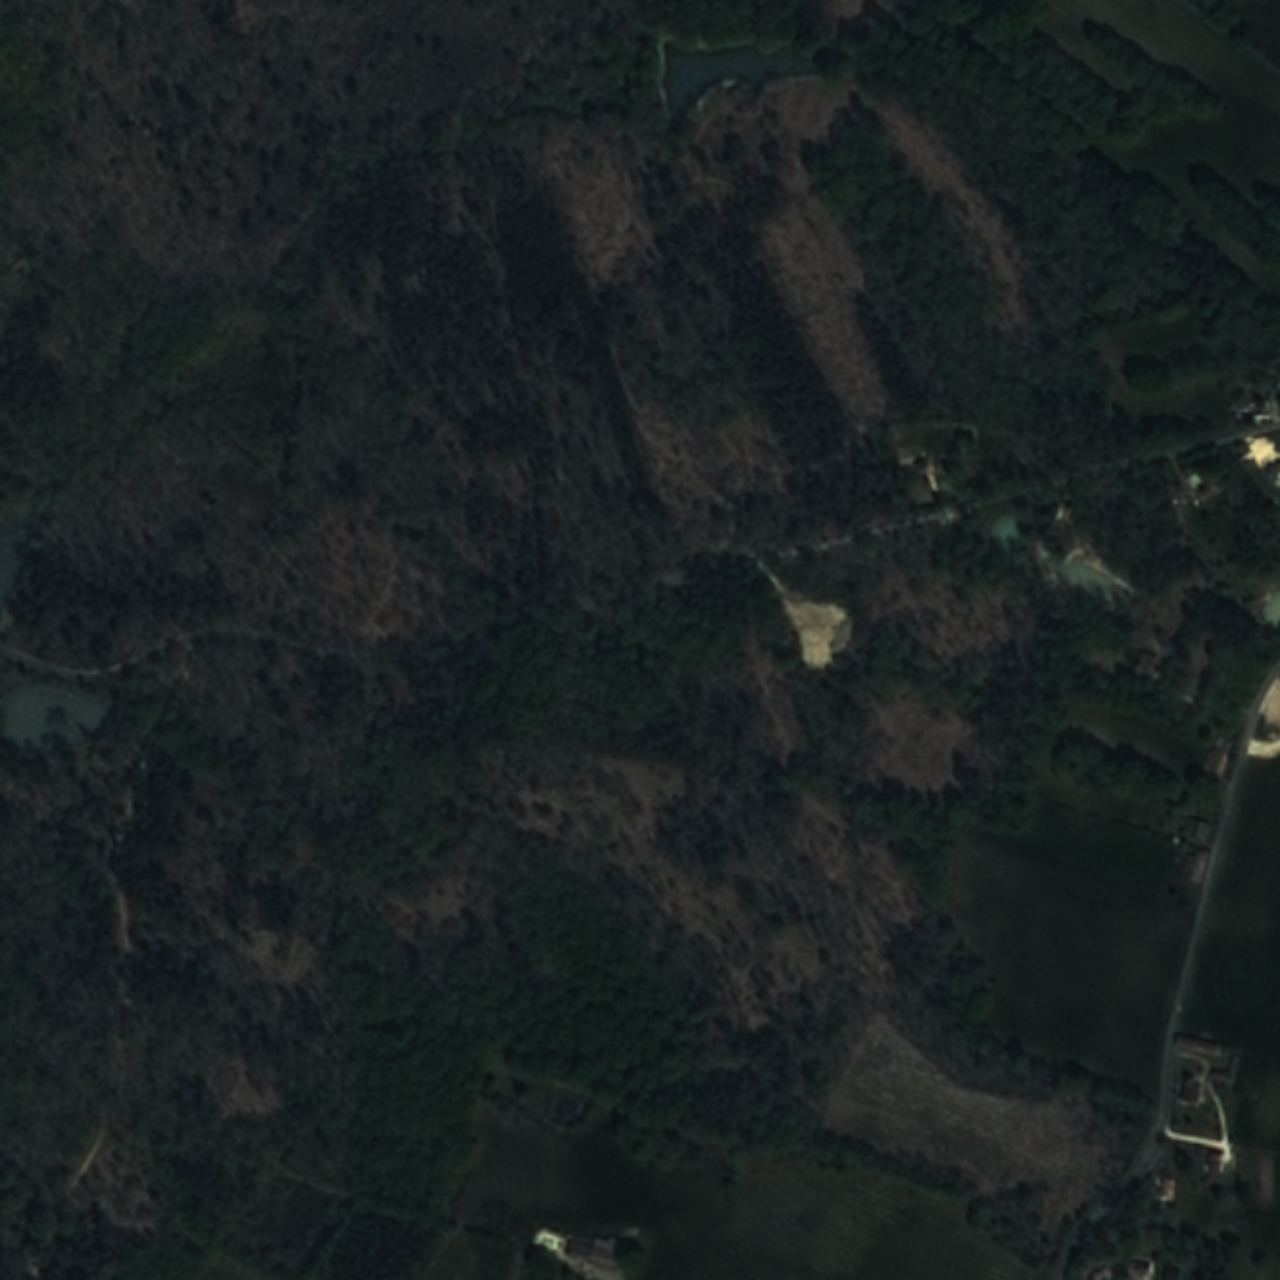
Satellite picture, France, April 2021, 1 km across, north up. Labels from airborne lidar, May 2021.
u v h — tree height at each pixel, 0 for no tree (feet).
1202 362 53
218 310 67
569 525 41
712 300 58
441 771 67
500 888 42
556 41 31
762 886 36
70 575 62
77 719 0
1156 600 27
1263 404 26
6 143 60
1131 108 65
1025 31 80
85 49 35
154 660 38
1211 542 19
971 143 62
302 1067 36
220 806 19
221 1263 28
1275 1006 0
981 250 49
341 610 28
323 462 44
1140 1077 0
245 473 23
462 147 43
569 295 31
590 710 77
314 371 66
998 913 0
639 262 20
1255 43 32
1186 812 33
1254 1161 0
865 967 26
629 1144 40
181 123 46
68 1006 61
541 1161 0
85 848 55
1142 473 39
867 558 46
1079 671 59
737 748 37
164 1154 58
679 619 65
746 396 56
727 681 42
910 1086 0
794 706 40
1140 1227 45
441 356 39
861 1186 0
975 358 55
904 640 51
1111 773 69
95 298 60
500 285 53
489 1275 0
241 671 42
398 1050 65
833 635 0
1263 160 0
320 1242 20
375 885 42
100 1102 58
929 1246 0
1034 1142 0
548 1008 64
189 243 47
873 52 93
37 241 47
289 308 67
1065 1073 42
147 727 49
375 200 64
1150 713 64
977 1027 59
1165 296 38
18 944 52
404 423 69
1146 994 0
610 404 27
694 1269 0
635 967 66
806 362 70
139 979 70
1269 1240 0
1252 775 0
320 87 35
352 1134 38
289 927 41
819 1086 53
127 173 39
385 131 48
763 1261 0
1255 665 53
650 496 26
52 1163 48
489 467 41
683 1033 60
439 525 58
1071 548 41
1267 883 0
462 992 73
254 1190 75
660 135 51
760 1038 22
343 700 80
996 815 62
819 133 0
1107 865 0
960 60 88
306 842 66
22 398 92
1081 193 59
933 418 28
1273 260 59
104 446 49
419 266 45
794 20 68
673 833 20
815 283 0
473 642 55
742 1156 40
